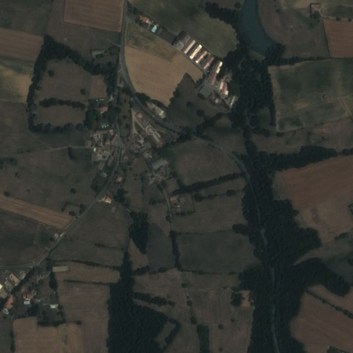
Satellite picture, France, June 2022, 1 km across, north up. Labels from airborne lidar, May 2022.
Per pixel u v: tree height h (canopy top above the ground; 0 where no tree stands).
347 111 0
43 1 0
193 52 0
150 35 0
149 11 0
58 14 0
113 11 0
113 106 18
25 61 0
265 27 0
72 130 22
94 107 14
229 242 0
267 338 24
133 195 0
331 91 0
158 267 0
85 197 0
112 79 14
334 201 0
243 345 0
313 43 0
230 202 0
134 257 0
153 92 0
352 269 0
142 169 0
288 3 0
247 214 21
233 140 0
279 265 21
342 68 0
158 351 14
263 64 8
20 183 0
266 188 16
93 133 0
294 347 19
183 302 0
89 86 0
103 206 0
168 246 0
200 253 0
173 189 0
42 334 0
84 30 0
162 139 0
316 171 0
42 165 0
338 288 18
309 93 0
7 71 0
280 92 0
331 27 0
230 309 0
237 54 19
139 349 16
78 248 0
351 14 0
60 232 0
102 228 0
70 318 0
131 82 0
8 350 0
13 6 0
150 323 18
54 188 0
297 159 20
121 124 9
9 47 0
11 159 8
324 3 0
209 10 14
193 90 0
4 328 0
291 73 0
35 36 0
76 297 0
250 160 19
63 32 0
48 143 0
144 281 0
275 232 18
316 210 0
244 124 21
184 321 0
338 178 0
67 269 0
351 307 0
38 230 0
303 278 19
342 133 0
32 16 0
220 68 10
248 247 0
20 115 0
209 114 0
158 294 0
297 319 0
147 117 0
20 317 11
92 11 0
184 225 0
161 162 0
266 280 17
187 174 0
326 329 0
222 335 0
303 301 0
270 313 13
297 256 16
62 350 0
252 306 12
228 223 0
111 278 0
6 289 0
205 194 0
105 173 0
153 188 0
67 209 0
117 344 20
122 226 0
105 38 0
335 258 0
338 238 7
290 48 0
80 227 0
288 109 0
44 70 12
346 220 0
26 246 0
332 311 0
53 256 0
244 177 10
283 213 14
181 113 0
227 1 0
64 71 0
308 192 0
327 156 14
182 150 0
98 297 0
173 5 0
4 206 0
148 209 0
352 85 0
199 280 0
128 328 29
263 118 0
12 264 0
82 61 22
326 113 0
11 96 0
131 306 25
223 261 0
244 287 12
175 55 0
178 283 0
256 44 0
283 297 14
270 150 0
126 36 0
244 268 0
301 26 0
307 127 0
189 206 0
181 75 0
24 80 0
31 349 0
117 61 7
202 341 5
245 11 0
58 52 20
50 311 0
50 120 0
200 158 0
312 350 0
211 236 0
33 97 9
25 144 0
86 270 0
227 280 0
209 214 0
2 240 0
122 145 0
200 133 17
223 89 0
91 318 0
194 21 0
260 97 21
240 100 17
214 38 0
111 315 12
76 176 0
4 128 0
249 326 0
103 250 0
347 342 0
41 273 9
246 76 34
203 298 0
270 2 0
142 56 0
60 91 0
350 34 0
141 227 14
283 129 0
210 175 0
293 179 0
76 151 0
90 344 0
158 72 0
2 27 0
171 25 0
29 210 0
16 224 0
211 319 0
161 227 0
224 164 0
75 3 0
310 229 13
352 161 0
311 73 0
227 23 10
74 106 13
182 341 0
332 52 0
